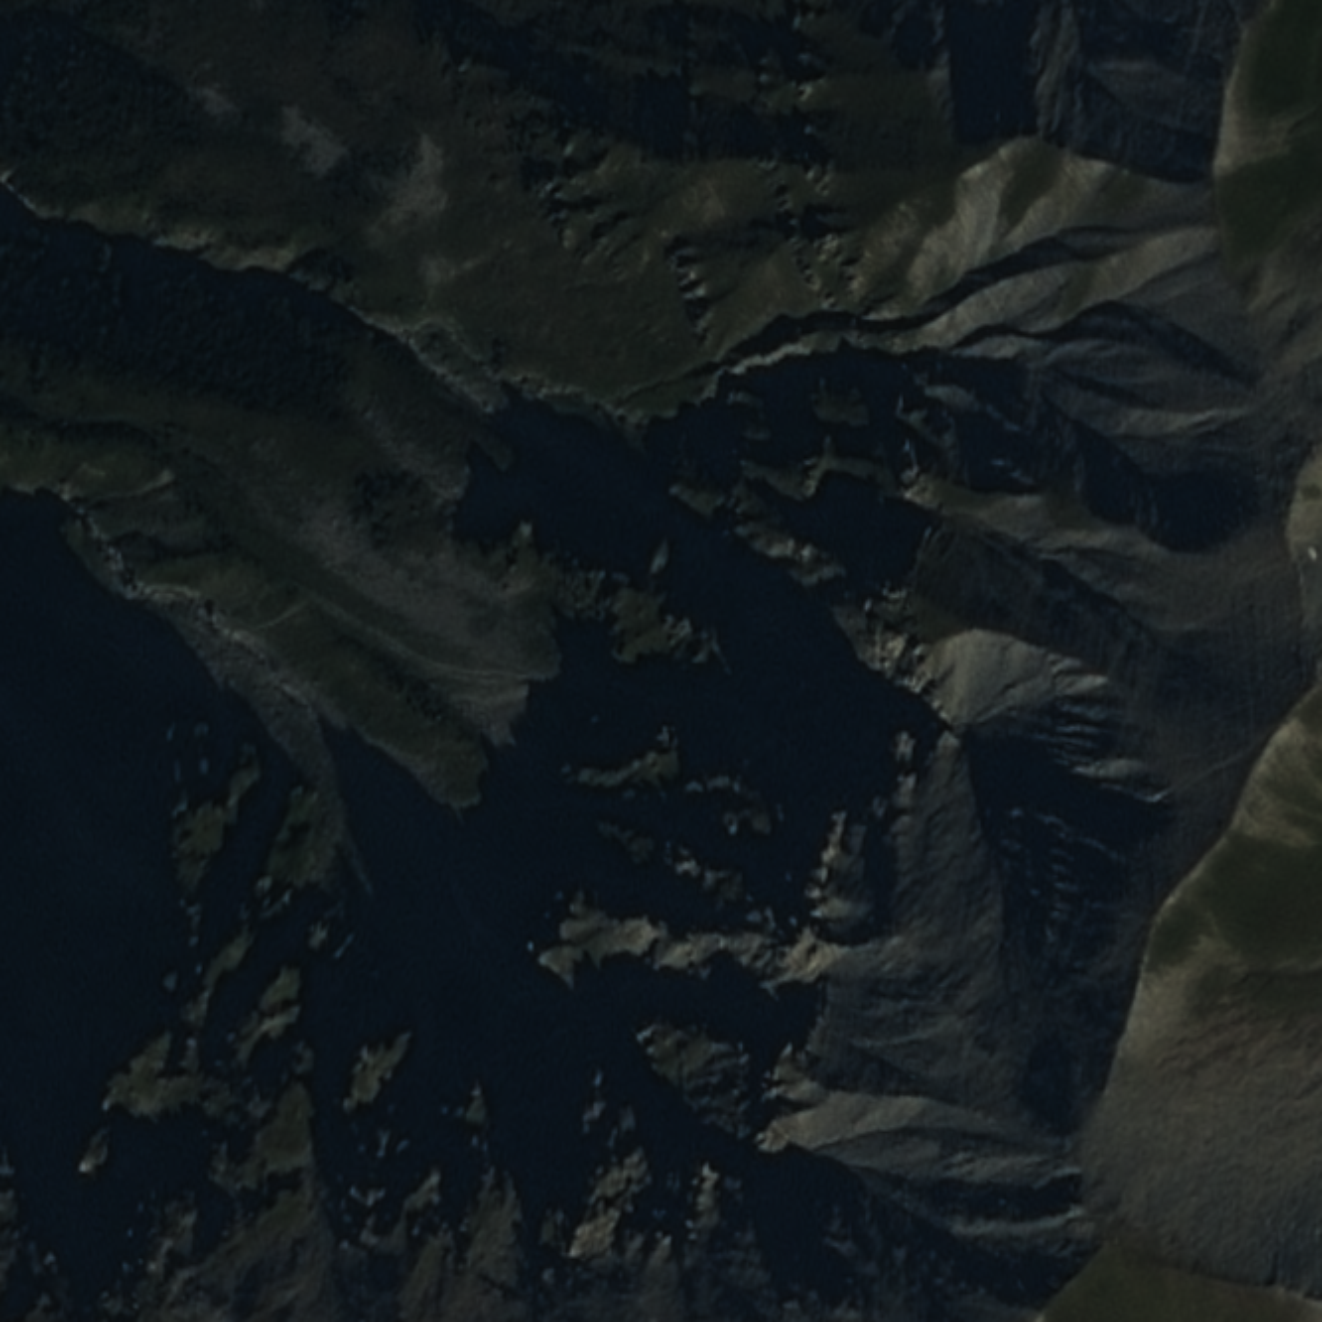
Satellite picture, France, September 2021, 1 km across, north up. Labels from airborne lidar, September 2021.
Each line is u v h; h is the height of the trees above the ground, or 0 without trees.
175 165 0
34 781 0
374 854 0
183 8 0
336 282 6
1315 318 0
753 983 0
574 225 0
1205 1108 0
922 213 0
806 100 0
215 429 0
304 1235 0
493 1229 0
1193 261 0
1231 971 0
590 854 0
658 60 0
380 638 0
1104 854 0
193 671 0
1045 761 0
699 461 0
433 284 0
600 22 0
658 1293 0
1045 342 0
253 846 0
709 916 0
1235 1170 0
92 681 6
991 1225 0
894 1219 0
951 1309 0
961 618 0
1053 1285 0
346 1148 0
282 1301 0
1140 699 0
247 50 0
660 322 0
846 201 0
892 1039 0
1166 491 0
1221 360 0
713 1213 0
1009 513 0
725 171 0
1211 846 0
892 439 0
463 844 0
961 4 0
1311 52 0
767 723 0
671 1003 0
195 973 0
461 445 0
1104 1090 0
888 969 0
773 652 0
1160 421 0
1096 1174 0
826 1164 0
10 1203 0
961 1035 0
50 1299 0
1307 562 0
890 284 0
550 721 0
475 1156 0
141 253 0
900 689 0
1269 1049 0
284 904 0
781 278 0
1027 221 0
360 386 0
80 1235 0
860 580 0
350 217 0
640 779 0
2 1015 0
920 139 0
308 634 0
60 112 10
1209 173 0
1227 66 0
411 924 0
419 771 0
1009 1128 0
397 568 0
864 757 0
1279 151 0
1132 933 0
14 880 0
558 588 0
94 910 0
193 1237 0
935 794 0
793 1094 0
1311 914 0
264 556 0
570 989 0
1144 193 0
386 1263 0
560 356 0
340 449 0
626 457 0
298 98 0
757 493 0
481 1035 0
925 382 0
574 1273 0
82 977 0
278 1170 0
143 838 0
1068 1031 0
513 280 0
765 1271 0
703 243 0
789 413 0
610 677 0
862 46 0
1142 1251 0
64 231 0
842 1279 0
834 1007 0
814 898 0
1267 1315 0
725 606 0
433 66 0
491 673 0
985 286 0
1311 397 0
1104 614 0
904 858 0
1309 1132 0
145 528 0
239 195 0
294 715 0
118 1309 0
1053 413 0
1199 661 0
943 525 0
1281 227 0
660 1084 0
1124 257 0
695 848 0
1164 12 0
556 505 0
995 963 0
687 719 0
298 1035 0
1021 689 0
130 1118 0
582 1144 0
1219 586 0
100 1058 0
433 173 0
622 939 0
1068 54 0
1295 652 0
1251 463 0
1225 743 0
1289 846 0
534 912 0
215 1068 0
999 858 0
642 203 0
